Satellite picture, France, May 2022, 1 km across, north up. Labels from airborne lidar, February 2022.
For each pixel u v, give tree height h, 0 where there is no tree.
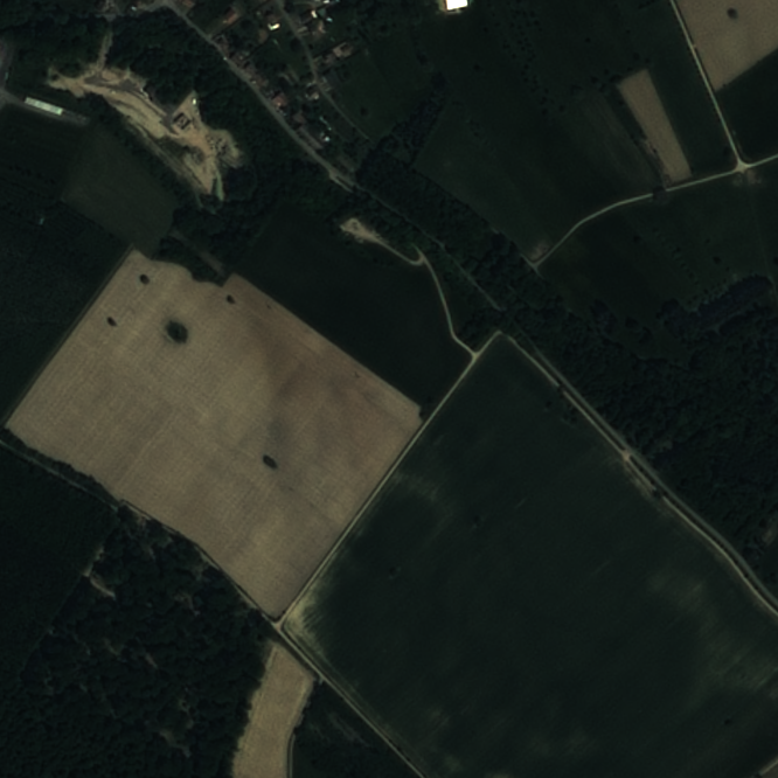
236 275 0
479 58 0
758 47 0
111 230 0
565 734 0
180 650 28
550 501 0
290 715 0
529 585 0
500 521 0
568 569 0
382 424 0
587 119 0
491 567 0
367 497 0
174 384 0
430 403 9
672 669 0
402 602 0
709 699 0
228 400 0
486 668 0
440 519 0
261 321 0
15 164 0
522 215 0
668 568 0
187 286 0
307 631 0
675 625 0
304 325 0
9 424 0
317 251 0
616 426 20
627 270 0
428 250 13
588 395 17
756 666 0
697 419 29
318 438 0
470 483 0
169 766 27
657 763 0
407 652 0
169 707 30
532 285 17
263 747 0
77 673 30
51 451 0
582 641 0
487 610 0
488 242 0
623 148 0
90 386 0
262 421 0
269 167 10
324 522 0
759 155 0
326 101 0
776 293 0
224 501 0
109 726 24
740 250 0
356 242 0
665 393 25
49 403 0
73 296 0
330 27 10
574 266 0
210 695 30
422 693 0
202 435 0
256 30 12
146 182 0
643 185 0
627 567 0
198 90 19
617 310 0
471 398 0
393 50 0
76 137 0
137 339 0
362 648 0
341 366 0
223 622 26
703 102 0
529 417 0
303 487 0
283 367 0
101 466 0
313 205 15
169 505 0
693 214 0
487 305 15
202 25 0
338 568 0
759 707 0
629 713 0
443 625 0
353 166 0
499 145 0
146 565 31
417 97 0
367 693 0
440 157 0
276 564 0
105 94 0
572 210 0
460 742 0
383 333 0
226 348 0
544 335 20
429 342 0
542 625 0
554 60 0
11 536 16
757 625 0
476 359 0
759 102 0
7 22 11
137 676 27
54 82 0
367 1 14
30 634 19
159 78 14
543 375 0
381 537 0
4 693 23
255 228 18
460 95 0
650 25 0
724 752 0
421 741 0
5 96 0
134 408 0
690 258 0
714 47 0
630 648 0
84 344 0
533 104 0
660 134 0
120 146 0
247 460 0
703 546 0
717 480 24
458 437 0
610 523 0
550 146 0
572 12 0
